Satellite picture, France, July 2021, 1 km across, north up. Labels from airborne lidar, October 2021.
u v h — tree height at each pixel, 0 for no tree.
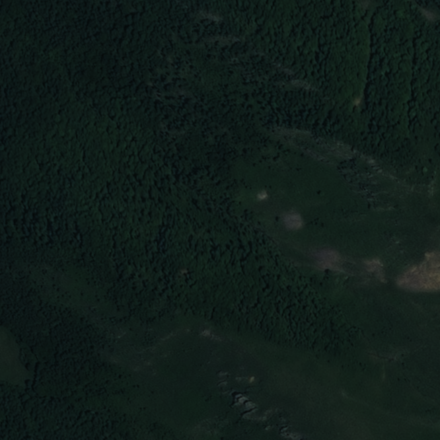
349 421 0
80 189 29
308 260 0
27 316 17
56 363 7
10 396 16
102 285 9
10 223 20
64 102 19
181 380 0
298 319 22
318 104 8
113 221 27
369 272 0
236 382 0
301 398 0
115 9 11
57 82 12
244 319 18
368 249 0
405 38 26
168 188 28
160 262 28
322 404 0
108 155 29
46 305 7
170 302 7
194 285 13
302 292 16
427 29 12
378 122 16
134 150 28
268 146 20
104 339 7
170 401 0
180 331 0
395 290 0
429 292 0
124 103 21
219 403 0
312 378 0
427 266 0
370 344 0
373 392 0
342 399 0
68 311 14
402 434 0
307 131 7
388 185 0
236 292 24
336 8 30
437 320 0
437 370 0
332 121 21
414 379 0
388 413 0
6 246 22
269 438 0
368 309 0
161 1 20
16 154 29
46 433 17
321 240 0
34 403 18
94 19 17
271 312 23
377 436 0
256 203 0
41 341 18
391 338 0
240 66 7
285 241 0
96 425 24
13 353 0
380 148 18
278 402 0
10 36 26
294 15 24
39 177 31
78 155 24
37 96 18
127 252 26
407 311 0
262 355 0
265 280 26
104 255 18
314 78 21
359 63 20
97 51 14
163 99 22
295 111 16
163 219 31
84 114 18
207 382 0
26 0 11
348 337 16
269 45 20
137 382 0
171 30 22
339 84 22
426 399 0
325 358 0
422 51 24
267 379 0
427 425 0
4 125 22
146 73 27
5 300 16
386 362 0
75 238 6
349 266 0
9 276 15
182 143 7
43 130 23
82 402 16
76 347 9
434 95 16
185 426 0
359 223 0
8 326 17
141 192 32
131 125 23
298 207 0
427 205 0
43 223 21
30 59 20
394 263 0
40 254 9
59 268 6
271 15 28
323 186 0
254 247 25
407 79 23
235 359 0
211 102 7
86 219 25
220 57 7
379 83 23
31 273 11
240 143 7
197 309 9
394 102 24
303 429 0
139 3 16
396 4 20
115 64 23
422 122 18
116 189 33
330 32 27
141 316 12
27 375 0
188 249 13
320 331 18
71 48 12
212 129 12
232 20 13
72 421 22
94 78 14
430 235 0
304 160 0
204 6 8
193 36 14
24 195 25
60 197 24
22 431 20
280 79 14
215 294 23
